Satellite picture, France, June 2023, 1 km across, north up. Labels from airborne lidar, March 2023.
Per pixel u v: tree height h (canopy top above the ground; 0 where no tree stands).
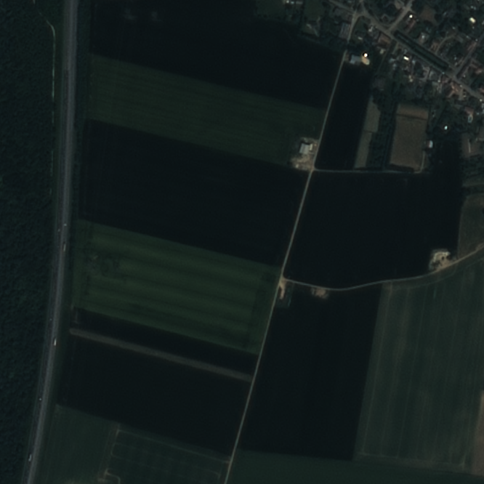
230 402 0
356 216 0
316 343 0
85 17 11
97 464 0
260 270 0
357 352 0
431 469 0
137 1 0
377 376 0
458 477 0
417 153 0
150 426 0
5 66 21
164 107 0
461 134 6
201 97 0
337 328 0
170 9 0
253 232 0
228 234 0
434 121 7
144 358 0
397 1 0
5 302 12
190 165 0
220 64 0
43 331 15
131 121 0
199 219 0
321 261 0
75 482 0
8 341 12
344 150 0
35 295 11
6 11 19
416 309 0
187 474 0
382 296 0
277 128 0
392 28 0
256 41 0
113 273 0
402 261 0
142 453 0
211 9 0
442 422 0
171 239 0
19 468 15
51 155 12
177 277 0
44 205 18
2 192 17
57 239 0
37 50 15
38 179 23
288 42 0
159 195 0
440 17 10
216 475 0
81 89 11
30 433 0
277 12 0
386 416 0
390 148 12
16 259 22
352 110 0
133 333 0
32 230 19
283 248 0
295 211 0
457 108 0
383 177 0
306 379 0
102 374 0
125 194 0
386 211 0
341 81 0
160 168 0
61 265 0
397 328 0
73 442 0
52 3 13
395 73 8
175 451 0
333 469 0
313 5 0
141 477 0
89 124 0
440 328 0
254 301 0
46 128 16
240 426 0
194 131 0
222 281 0
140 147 0
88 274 0
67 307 0
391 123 6
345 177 0
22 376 14
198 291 0
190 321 0
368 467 0
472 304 0
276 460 0
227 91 0
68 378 0
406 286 0
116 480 0
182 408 0
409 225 0
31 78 16
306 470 0
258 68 0
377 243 0
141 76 0
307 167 0
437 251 0
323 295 0
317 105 0
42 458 0
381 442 0
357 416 0
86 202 0
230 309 0
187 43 0
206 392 0
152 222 0
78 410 0
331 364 0
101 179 0
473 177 0
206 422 0
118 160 0
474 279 0
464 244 0
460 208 0
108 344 0
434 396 0
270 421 0
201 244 0
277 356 0
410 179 0
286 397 0
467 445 0
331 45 14
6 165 20
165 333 0
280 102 0
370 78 0
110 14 0
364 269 0
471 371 0
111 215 0
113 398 0
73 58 0
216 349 0
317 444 0
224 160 0
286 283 0
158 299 0
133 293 0
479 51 6
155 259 0
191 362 0
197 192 0
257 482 0
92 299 0
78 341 0
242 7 0
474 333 0
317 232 0
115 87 0
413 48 7
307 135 0
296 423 0
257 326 0
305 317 0
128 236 0
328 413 0
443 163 0
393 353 0
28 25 15
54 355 0
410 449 0
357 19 0
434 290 0
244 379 0
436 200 0
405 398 0
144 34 0
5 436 17
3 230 16
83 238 0
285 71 0
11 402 20
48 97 15
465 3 0
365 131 0
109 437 0
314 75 0
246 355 0
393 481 0
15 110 21
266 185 0
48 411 0
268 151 0
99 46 0
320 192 0
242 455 0
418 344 0
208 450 0
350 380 0
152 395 0
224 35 0
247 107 0
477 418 0
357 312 0
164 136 0
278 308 0
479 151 0
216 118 0
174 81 0
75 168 10
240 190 0
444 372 0
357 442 0
